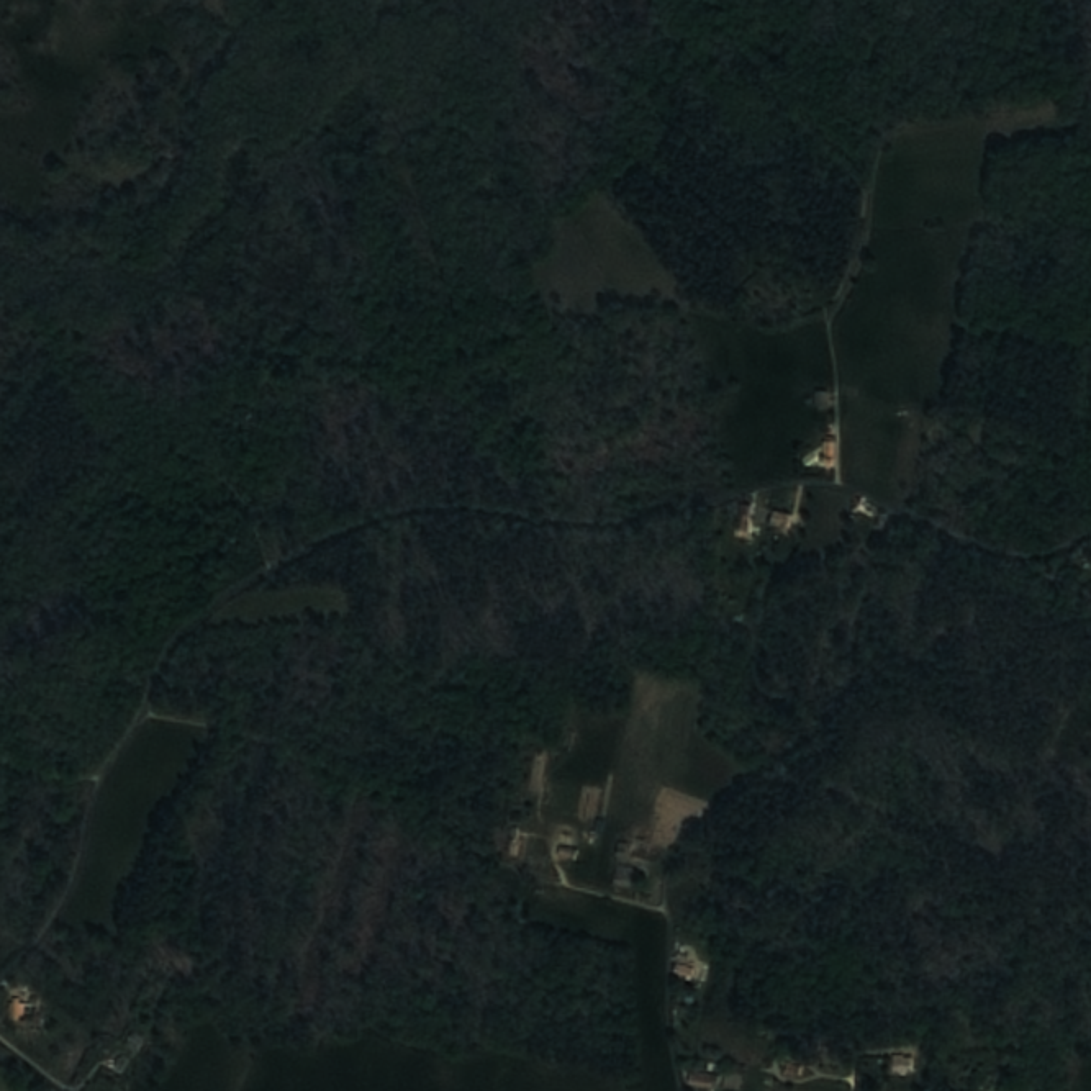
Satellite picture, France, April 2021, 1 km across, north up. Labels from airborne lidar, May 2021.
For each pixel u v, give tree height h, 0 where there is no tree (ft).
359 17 61
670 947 0
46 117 0
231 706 60
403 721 38
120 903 0
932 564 51
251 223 35
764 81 64
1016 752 46
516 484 58
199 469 54
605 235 0
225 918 77
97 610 37
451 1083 0
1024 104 52
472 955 60
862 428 0
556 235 52
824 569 77
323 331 30
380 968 48
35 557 69
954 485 38
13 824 53
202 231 26
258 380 59
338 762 54
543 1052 68
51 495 76
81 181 30
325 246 60
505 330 57
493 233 69
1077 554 29
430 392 61
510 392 38
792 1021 64
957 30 73
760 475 0
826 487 0
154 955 50
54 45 0
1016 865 87
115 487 39
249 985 49
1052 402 93
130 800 0
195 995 44
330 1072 0
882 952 42
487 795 33
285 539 38
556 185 30
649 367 43
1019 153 52
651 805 0
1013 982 67
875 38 43
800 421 0
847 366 0
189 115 41
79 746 53
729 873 53
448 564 67
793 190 52
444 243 60
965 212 0
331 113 47
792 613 66
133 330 35
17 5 0
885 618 73
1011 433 43
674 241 65
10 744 58
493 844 45
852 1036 75
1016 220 59
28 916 38
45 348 26
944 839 59
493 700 48
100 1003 60
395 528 52
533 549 76
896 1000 62
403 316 57
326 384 46
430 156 68
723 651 62
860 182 50
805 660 79
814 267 55
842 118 78
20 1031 45
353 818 65
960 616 89
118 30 0
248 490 37
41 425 88
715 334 0
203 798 62
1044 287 89
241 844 85
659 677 54
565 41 45
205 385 54
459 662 45
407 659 51
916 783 51
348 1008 51
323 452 64
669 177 32
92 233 76
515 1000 40
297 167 49
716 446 26
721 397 65
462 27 64
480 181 69
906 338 0
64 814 58
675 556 56
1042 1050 55
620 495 43
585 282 0
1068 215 51
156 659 26
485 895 60
